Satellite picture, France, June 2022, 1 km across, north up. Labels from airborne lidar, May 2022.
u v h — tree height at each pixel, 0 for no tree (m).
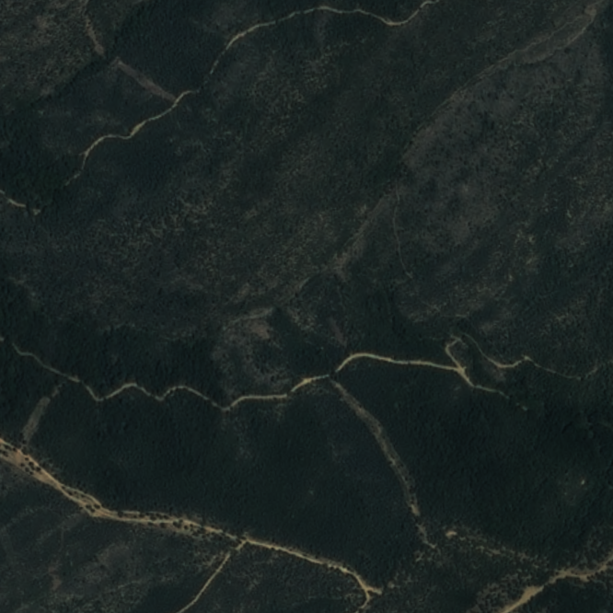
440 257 9
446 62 5
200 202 7
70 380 6
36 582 6
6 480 0
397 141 7
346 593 6
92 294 9
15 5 8
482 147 0
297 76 6
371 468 6
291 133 5
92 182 7
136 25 10
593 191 6
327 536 6
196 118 6
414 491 9
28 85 7
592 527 9
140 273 6
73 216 7
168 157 6
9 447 11
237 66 0
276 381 6
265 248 8
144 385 10
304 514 5
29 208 12
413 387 8
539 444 12
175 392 8
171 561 8
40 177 12
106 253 9
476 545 8
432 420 12
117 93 5
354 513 9
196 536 6
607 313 10
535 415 15
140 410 7
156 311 10
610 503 8
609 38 6
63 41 9
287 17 7
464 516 6
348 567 7
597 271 7
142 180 8
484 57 7
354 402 0
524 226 6
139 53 6
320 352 11
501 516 11
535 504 10
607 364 7
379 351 7
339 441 7
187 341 6
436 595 6
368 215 7
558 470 9
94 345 7
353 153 7
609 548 8
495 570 7
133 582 0
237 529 6
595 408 8
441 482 10
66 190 10
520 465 6
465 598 6
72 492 7
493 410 6
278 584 8
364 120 6
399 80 7
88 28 8
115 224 6
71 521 0
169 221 8
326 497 7
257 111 6
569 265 9
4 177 13
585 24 0
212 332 7
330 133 6
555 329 7
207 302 9
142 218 8
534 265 0
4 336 7
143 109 6
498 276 5
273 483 6
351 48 6
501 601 7
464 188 0
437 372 6
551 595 14
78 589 0
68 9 9
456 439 11
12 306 14
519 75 0
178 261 10
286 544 6
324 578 6
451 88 7
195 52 6
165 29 9
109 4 7
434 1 8
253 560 7
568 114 6
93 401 9
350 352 8
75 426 6
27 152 11
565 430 7
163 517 7
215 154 6
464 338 10
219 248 9
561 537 10
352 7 7
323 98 6
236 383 6
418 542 8
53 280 9
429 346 6
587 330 8
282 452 7
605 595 10
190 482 6
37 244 6
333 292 5
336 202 10
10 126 9
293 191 6
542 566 11
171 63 7
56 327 8
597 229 8
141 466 7
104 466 7
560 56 0
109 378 6
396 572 9
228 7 0
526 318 6
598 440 15
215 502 6
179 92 7
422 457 9
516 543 7
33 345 6
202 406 9
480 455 11
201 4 10
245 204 7
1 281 17
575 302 6
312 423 9
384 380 7
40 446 11
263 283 8
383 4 7
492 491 8
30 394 11
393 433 6
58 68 10
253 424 9
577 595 13
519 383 7
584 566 10
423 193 5
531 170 6
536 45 0
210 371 8
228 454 5
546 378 7
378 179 11
